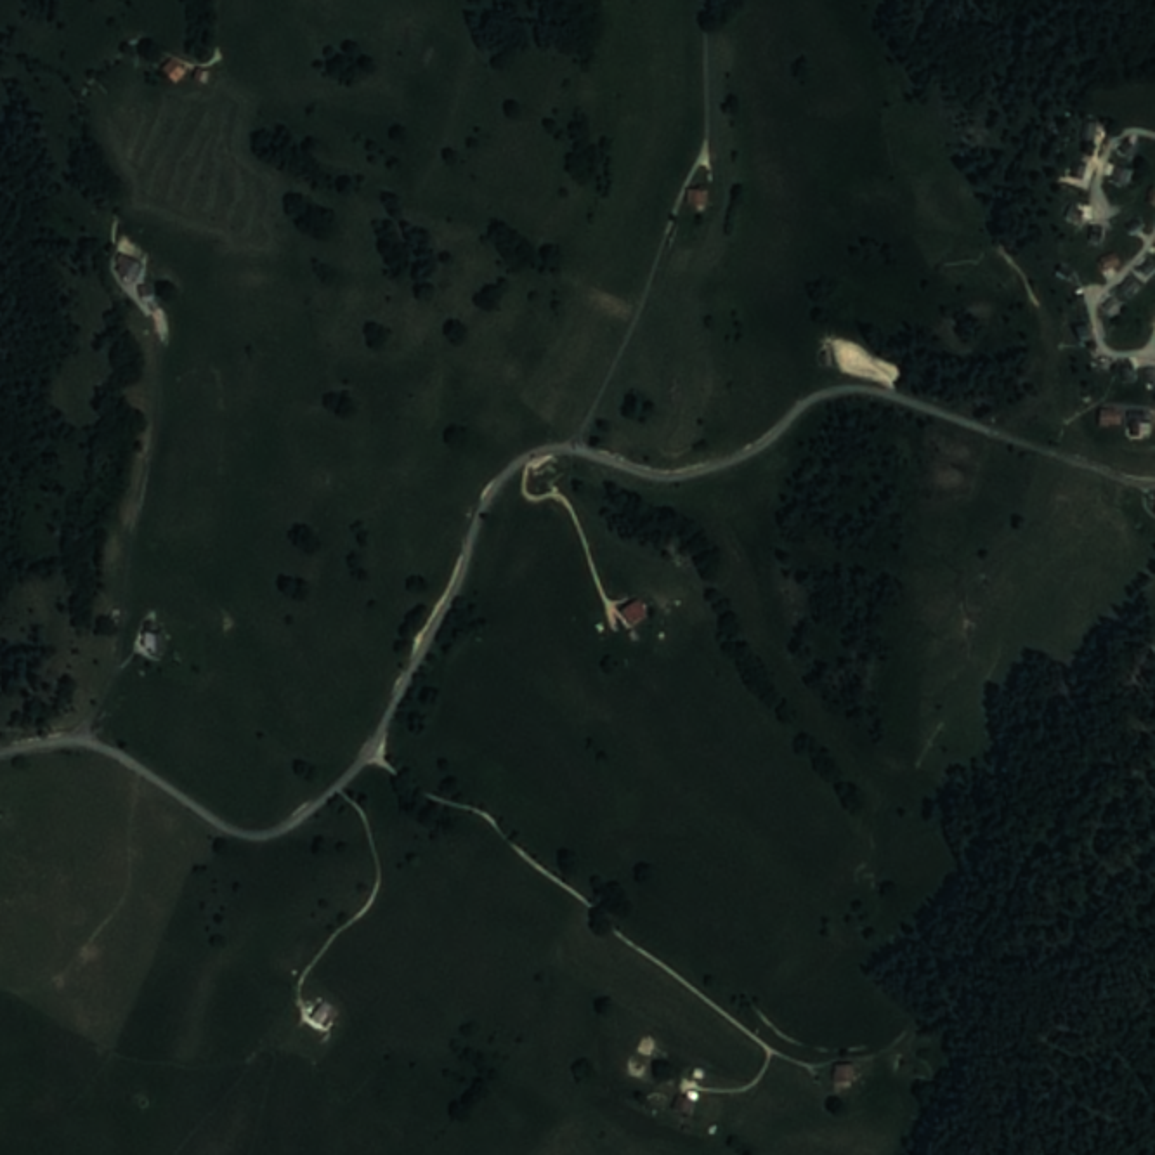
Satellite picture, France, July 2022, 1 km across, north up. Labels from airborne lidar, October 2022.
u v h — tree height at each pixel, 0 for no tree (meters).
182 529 0
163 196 0
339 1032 0
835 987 0
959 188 0
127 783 0
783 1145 0
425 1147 0
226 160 0
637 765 0
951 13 22
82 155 18
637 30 0
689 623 0
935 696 0
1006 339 0
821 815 0
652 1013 0
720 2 19
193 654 0
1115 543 0
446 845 0
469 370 0
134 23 0
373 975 0
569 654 0
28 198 22
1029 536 0
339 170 0
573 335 0
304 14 0
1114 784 17
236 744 0
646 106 0
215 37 19
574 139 11
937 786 0
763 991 0
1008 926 23
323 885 0
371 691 0
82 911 0
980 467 0
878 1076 0
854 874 0
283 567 0
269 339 0
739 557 0
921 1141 9
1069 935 24
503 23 15
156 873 0
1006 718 18
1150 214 0
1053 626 0
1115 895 22
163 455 0
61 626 0
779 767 0
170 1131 0
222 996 0
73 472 0
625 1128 0
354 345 0
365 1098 0
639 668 0
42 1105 0
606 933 14
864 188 0
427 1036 0
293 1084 0
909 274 0
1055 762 25
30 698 19
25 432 24
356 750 0
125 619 0
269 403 0
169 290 18
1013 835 23
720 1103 0
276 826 0
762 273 0
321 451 0
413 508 0
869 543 6
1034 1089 28
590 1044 0
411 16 0
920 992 20
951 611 0
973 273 0
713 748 0
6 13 0
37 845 0
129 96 0
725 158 0
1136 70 17
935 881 0
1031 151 14
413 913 0
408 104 0
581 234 0
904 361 10
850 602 16
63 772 0
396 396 0
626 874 0
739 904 0
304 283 0
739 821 0
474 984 0
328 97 0
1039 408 0
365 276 0
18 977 0
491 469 0
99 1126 0
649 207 0
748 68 0
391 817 0
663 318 0
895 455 12
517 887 0
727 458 0
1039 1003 16
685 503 0
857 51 0
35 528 0
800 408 0
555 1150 0
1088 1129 24
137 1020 0
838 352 0
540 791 0
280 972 0
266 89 0
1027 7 10
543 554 0
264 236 0
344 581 0
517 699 0
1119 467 0
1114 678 22
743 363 0
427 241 15
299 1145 0
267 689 0
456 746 0
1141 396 0
